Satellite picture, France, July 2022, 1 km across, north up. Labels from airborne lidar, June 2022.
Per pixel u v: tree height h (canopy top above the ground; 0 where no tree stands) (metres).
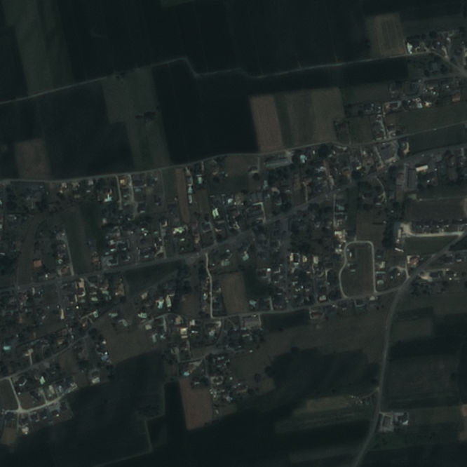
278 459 0
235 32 0
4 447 0
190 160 0
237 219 13
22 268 0
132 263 0
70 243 0
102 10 0
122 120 0
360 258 0
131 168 0
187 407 0
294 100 0
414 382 0
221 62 0
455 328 0
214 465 0
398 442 0
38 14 0
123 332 0
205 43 0
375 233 0
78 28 0
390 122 0
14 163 0
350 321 0
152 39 0
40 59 0
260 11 0
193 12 0
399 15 0
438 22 0
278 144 0
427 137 0
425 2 0
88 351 0
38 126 0
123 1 0
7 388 0
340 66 0
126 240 0
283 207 12
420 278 6
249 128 0
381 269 0
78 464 0
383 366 0
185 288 13
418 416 0
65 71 0
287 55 0
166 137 0
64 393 0
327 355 0
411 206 0
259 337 6
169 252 0
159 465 0
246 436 0
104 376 0
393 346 0
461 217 0
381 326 0
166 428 0
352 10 0
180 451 0
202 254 0
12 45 0
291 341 0
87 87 0
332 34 0
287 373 0
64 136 0
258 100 0
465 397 0
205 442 0
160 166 0
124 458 0
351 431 0
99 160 0
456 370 0
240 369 0
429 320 0
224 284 0
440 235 0
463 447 0
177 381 0
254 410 0
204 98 0
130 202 0
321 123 0
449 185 6
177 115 0
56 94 0
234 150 0
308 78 0
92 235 0
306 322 0
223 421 0
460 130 0
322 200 0
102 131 0
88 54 0
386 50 0
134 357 0
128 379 0
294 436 0
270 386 0
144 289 0
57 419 0
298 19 0
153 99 0
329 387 0
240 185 0
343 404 0
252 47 0
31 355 0
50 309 0
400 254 0
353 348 0
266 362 0
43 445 0
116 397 0
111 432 0
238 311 0
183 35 0
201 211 0
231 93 0
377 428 8
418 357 0
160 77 0
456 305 0
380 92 0
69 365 0
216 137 0
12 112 0
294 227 14
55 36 0
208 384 17
